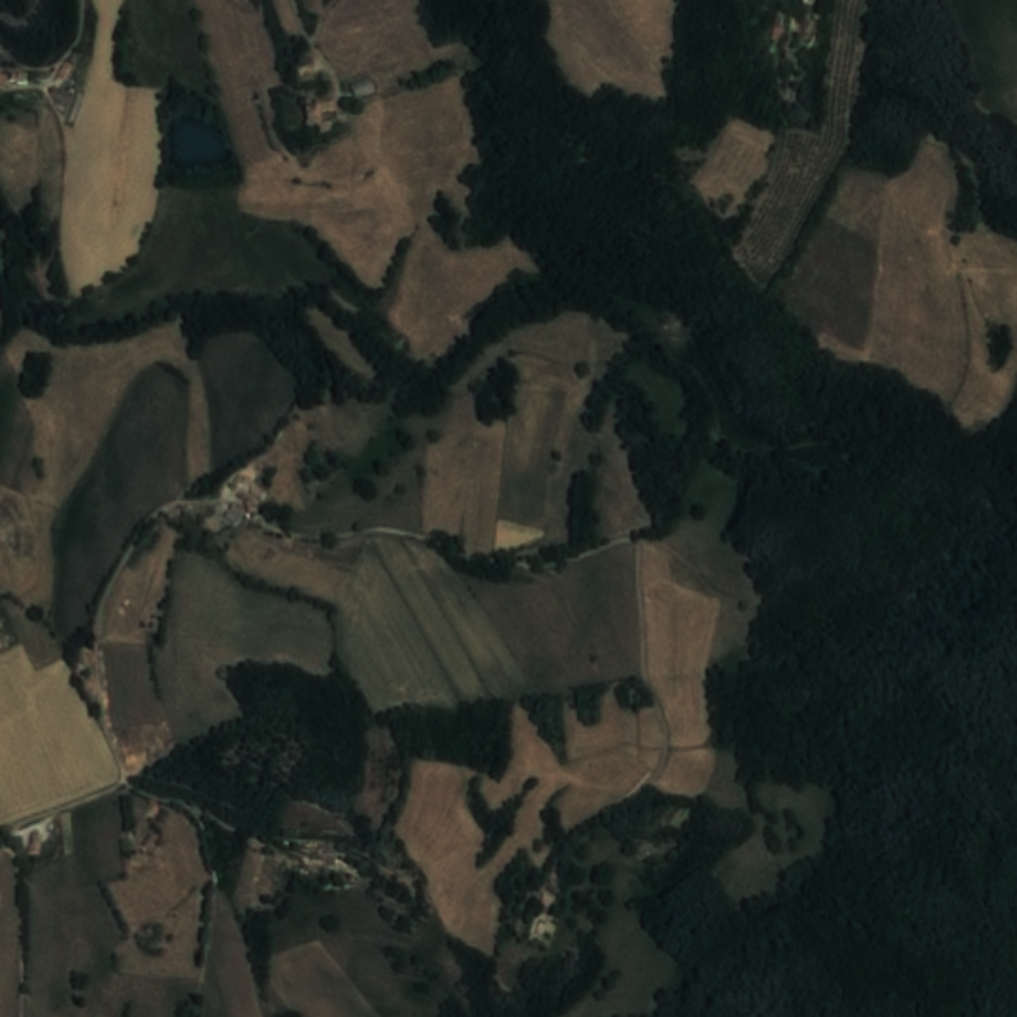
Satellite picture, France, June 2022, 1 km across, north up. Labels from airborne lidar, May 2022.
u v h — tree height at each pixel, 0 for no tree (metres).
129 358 0
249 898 0
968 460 15
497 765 16
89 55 0
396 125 0
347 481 0
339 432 0
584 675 0
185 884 0
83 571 0
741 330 13
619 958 0
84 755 0
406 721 18
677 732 0
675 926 25
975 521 16
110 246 0
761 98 13
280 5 0
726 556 0
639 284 15
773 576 17
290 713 16
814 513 24
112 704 0
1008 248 0
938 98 14
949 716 11
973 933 17
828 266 0
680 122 10
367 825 11
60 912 0
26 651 0
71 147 0
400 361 17
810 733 24
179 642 0
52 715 0
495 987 8
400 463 0
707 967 18
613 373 13
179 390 0
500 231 11
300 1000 0
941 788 15
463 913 0
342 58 0
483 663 0
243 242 0
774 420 17
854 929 14
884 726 15
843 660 24
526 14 12
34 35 14
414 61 0
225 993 0
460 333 0
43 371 23
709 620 0
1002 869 12
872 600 12
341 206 0
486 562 12
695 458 23
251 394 0
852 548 14
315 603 11
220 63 0
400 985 0
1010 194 14
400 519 0
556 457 14
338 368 26
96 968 0
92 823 0
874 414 12
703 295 16
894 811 17
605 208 18
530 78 17
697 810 11
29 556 0
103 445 0
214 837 7
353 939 0
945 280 0
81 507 0
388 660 0
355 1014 0
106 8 0
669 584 0
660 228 16
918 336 0
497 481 0
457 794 0
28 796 0
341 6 0
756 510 27
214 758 17
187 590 0
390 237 0
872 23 17
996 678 17
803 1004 17
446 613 0
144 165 0
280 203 0
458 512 0
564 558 14
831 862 17
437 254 0
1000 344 8
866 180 0
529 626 0
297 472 0
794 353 15
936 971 10
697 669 0
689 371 18
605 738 0
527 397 0
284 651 0
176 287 0
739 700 22
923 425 9
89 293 9
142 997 0
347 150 0
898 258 0
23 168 0
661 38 0
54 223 0
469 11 16
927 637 14
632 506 0
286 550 0
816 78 10
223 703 0
